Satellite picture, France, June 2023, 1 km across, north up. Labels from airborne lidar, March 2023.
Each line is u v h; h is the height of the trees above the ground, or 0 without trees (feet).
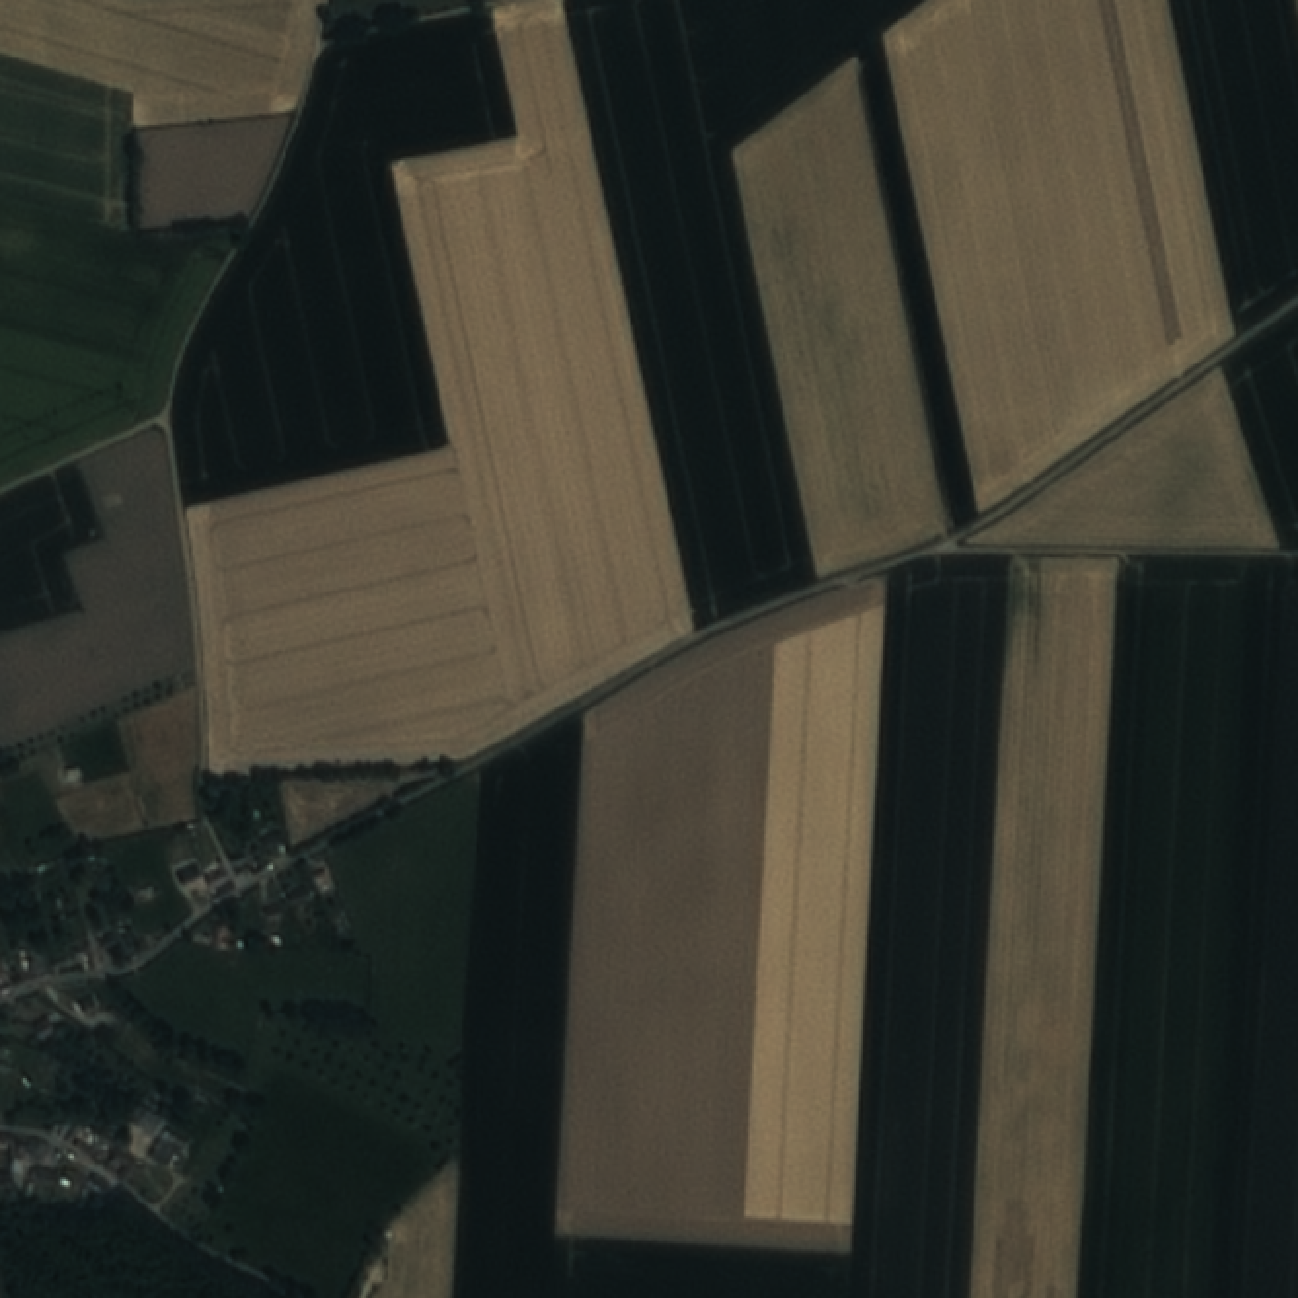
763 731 0
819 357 0
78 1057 22
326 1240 0
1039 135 0
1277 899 0
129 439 0
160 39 0
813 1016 0
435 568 0
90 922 48
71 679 0
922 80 0
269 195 0
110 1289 41
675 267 0
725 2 0
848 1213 0
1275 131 0
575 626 0
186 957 0
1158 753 0
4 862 0
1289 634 0
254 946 47
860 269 0
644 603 0
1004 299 0
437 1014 0
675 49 0
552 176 0
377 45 0
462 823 0
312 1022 62
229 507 0
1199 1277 0
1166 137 0
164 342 0
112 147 0
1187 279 0
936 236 0
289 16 0
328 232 0
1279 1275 0
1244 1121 0
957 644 0
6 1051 30
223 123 0
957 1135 0
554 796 0
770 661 0
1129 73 0
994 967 0
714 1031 0
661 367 0
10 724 0
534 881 0
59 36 0
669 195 0
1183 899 0
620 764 0
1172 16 0
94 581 0
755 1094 0
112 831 0
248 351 0
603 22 0
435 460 0
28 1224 43
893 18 0
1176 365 0
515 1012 0
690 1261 0
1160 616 0
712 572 0
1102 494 0
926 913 0
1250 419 0
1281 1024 0
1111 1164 0
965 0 0
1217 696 0
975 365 0
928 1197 0
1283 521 0
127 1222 38
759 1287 0
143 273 0
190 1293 42
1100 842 0
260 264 0
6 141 0
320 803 0
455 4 0
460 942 0
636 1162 0
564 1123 0
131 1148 0
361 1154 0
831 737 0
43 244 0
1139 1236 0
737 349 0
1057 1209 0
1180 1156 0
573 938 0
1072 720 0
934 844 0
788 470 0
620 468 0
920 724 0
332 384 0
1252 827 0
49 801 0
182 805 0
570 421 0
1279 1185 0
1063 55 0
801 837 0
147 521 0
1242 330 0
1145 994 0
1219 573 0
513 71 0
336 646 0
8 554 0
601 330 0
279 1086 0
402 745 0
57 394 0
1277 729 0
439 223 0
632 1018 0
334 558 0
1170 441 0
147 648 0
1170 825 0
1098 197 0
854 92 0
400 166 0
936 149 0
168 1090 43
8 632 0
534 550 0
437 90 0
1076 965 0
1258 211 0
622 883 0
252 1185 0
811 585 0
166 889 0
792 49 0
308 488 0
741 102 0
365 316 0
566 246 0
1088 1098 0
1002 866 0
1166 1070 0
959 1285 0
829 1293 0
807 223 0
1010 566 0
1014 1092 0
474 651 0
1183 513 0
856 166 0
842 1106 0
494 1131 0
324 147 0
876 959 0
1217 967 0
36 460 0
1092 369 0
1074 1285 0
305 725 0
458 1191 0
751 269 0
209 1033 0
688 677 0
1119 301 0
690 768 0
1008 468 0
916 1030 0
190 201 0
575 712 0
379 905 0
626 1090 0
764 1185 0
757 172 0
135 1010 58
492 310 0
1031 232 0
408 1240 0
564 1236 0
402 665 0
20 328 0
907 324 0
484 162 0
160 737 0
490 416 0
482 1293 0
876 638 0
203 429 0
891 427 0
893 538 0
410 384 0
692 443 0
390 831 0
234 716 0
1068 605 0
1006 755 0
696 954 0
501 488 0
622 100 0
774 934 0
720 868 0
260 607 0
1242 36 0
